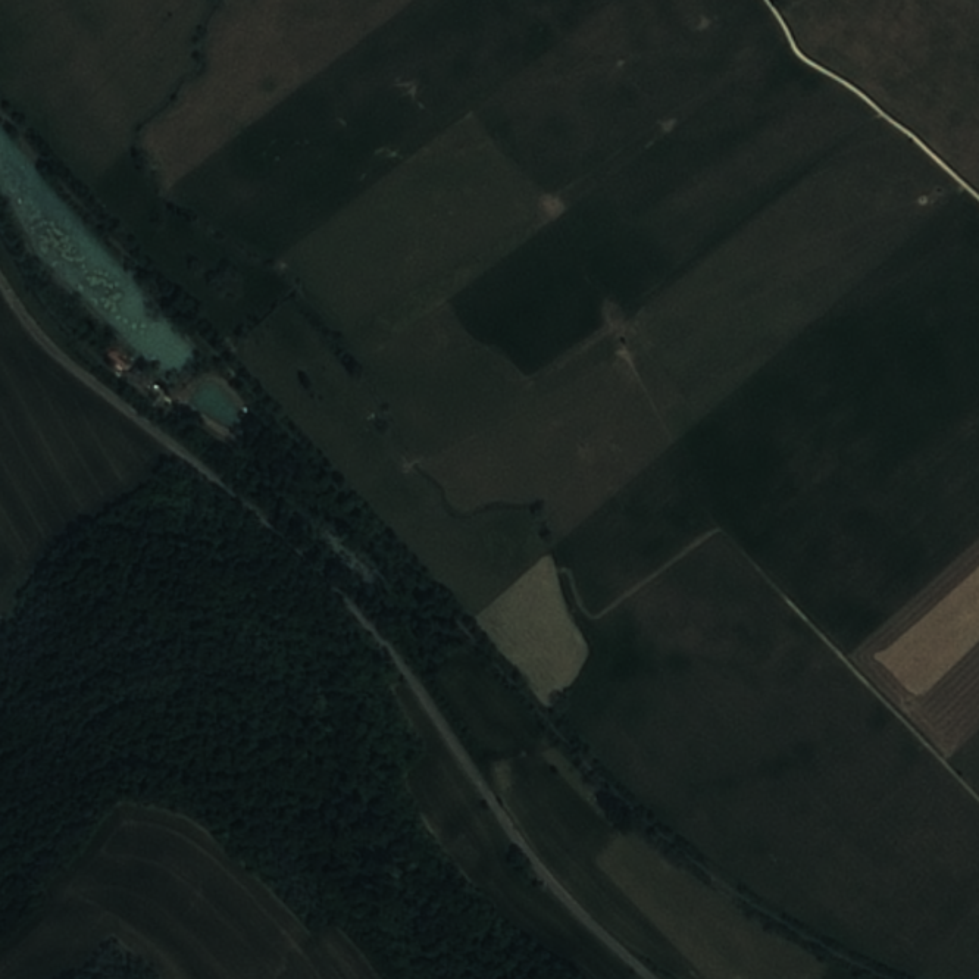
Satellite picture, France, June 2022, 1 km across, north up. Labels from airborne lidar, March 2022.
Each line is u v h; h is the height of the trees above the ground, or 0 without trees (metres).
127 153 0
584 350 0
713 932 0
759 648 0
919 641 0
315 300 0
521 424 0
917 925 0
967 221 0
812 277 0
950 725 0
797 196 0
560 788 0
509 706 0
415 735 11
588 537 0
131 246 9
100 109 0
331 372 0
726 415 0
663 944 0
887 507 0
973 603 0
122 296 0
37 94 0
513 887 0
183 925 0
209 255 0
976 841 0
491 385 0
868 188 0
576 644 0
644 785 0
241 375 6
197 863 0
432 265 0
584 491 0
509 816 0
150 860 0
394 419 0
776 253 0
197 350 0
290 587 23
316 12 0
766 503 0
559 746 8
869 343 0
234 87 0
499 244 0
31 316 0
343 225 0
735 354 0
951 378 0
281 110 0
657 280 0
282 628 19
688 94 0
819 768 0
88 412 0
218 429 0
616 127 0
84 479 0
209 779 19
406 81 0
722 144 0
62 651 14
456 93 0
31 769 20
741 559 0
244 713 14
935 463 0
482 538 0
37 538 0
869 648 0
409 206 0
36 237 0
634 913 0
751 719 0
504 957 9
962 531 0
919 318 0
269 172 0
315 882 8
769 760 0
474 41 0
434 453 0
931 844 0
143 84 0
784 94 0
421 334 0
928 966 0
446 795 0
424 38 0
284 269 0
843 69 0
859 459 0
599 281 0
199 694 8
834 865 0
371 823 30
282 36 0
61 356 0
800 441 0
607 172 0
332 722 25
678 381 0
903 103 0
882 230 0
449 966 21
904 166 0
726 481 0
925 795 0
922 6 0
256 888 0
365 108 0
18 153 0
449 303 0
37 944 0
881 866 0
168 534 13
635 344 0
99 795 8
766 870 0
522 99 0
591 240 0
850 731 0
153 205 0
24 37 0
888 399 0
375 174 0
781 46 0
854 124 0
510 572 0
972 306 0
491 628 0
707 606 0
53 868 13
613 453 0
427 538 0
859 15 0
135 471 0
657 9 0
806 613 0
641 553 0
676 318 0
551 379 0
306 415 0
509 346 0
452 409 0
